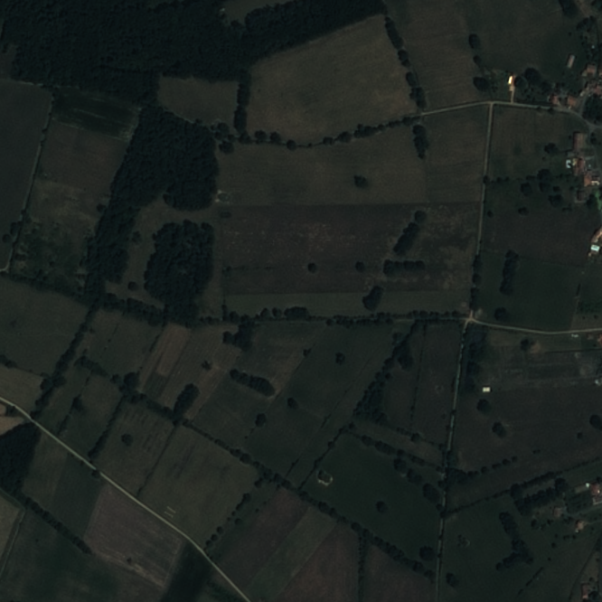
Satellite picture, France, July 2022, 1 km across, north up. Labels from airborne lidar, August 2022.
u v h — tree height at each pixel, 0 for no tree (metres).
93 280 10
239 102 11
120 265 19
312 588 0
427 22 0
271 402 0
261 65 0
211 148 21
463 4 0
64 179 0
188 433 0
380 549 7
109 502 0
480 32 0
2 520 0
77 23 18
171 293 19
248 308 0
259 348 0
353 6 18
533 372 0
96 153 0
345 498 0
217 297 0
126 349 0
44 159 0
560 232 0
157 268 17
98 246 12
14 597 0
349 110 0
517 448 0
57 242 0
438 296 0
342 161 0
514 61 0
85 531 0
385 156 0
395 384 0
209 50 20
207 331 0
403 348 14
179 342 0
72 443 0
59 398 0
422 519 0
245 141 11
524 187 14
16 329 0
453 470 15
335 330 0
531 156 0
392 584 0
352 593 0
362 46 0
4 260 0
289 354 0
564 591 0
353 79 0
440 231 0
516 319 0
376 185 0
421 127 14
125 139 0
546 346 0
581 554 0
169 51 21
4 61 0
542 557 0
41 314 0
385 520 0
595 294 0
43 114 0
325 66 0
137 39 21
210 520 0
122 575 0
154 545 0
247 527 0
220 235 0
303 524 0
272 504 0
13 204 0
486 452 0
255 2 0
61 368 13
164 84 0
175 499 0
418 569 16
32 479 0
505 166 0
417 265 12
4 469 15
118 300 6
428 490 18
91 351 0
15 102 0
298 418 0
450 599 0
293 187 0
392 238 0
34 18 12
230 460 0
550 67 0
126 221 12
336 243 0
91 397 0
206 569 0
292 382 0
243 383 13
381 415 13
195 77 14
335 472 0
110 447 0
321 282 0
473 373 20
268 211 0
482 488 0
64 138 0
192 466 0
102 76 15
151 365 0
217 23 21
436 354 0
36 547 0
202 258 18
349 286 0
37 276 9
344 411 0
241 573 0
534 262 0
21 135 0
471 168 0
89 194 0
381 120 0
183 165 19
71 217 0
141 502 0
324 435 0
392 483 0
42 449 0
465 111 0
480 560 0
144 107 13
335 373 0
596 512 0
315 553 0
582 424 0
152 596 0
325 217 0
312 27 18
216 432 0
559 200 19
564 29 0
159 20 20
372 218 0
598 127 0
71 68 16
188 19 22
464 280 0
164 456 0
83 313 0
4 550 0
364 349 0
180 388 0
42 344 0
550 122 0
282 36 19
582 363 0
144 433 0
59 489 0
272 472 9
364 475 0
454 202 0
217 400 0
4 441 18
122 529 0
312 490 0
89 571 0
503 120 0
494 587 0
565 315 0
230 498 0
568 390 0
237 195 0
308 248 0
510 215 0
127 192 17
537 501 19
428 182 0
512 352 0
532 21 0
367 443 13
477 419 0
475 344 10
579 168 0
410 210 0
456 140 0
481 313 0
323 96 0
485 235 0
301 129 0
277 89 0
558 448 0
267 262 0
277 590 0
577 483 0
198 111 0
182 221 0
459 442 0
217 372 0
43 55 16
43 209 0
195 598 0
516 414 0
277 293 0
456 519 0
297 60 0
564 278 0
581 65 0
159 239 20
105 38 19
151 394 0
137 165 15
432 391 0
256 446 0
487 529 0
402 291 0
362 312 0
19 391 0
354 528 13
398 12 0
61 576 0
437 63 0
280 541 0
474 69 0
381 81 0
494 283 0
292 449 0
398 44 16
